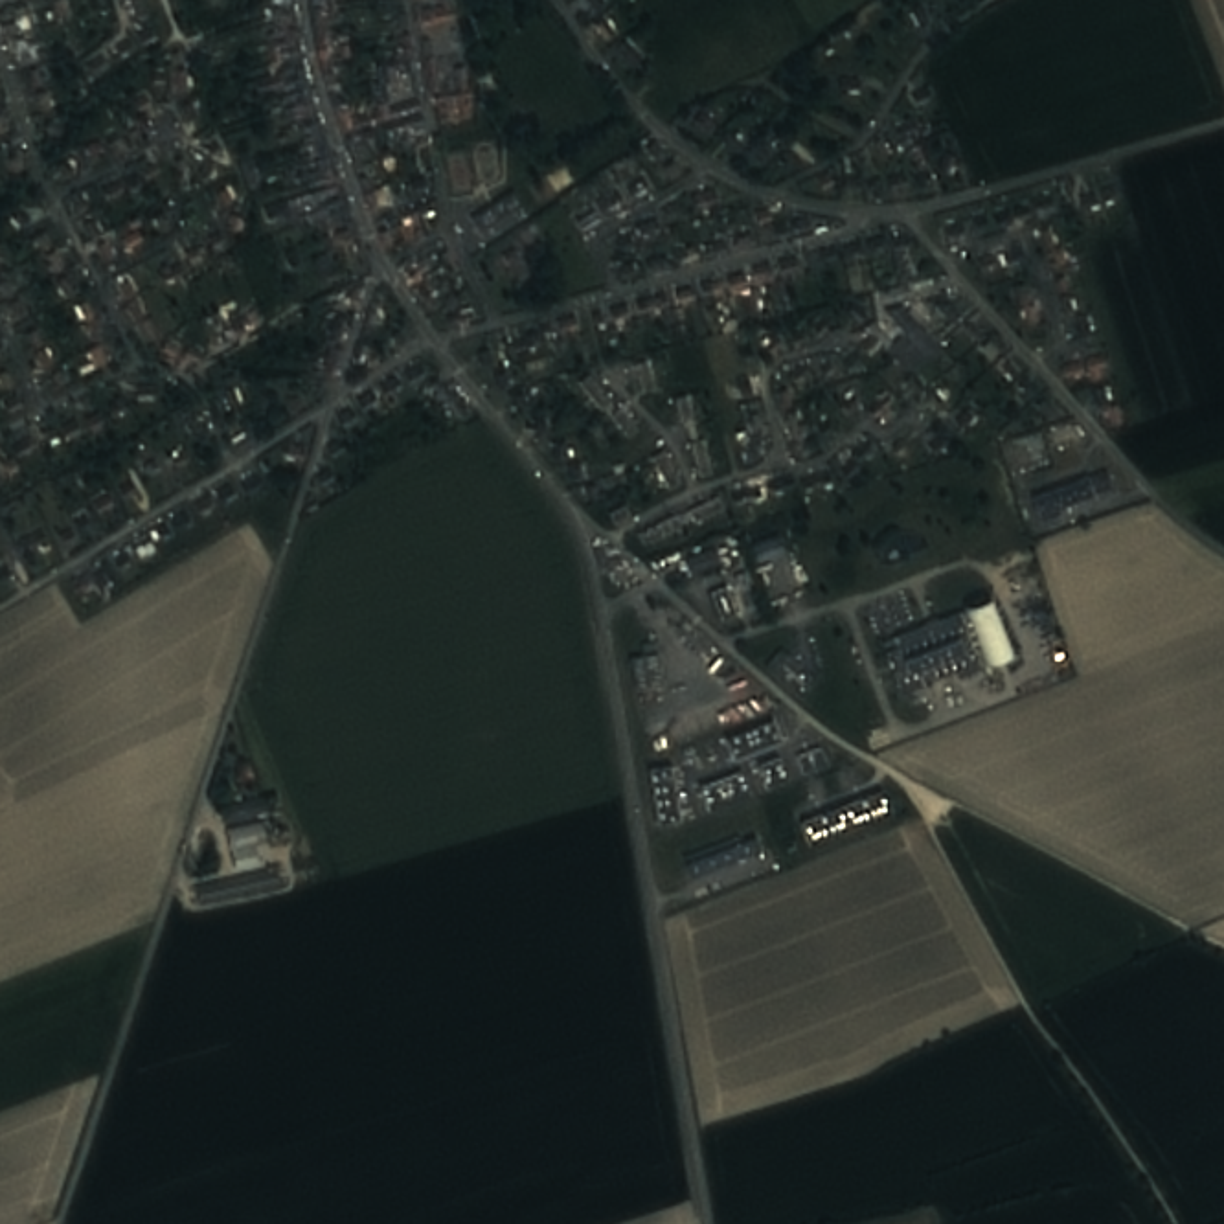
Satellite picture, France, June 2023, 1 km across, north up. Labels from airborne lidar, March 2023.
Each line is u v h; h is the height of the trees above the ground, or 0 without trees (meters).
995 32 0
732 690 0
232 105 6
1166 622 0
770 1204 0
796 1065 0
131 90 6
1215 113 0
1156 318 0
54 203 0
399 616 0
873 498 0
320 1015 0
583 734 0
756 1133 0
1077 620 0
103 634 0
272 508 0
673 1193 0
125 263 0
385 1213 0
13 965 0
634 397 0
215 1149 0
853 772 0
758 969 0
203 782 0
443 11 0
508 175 0
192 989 0
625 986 0
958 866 0
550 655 0
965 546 0
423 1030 0
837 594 0
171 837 0
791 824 0
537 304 20
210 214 0
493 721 0
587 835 0
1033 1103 0
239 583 0
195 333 0
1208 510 0
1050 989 0
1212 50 0
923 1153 0
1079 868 0
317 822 0
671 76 0
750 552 11
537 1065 0
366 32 0
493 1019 0
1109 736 0
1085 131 0
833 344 0
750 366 0
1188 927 0
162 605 0
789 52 0
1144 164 0
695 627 0
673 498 0
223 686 0
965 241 0
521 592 0
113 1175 0
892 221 0
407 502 0
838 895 0
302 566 0
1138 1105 0
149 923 0
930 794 0
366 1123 0
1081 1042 0
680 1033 0
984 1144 0
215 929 0
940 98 0
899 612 0
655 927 0
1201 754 0
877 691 0
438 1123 0
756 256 0
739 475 0
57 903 0
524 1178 0
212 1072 0
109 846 0
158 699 0
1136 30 0
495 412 0
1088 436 0
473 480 0
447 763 0
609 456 0
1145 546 0
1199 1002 0
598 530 0
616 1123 0
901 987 0
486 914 0
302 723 0
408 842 0
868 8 0
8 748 0
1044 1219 0
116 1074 0
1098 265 0
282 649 0
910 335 0
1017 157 0
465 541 0
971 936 0
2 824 0
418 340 0
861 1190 0
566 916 0
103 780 0
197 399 7
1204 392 0
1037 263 0
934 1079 0
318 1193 0
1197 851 0
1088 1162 0
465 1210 0
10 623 0
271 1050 0
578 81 0
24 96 0
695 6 0
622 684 0
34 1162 0
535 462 0
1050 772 0
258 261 0
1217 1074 0
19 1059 0
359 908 0
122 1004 0
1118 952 0
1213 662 0
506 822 0
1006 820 0
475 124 0
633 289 0
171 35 0
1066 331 0
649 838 0
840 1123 0
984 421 0
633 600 0
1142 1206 0
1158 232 0
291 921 0
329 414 0
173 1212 0
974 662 0
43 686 0
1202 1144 0
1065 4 0
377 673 0
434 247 0
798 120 11
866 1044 0
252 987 0
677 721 0
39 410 0
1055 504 0
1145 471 0
